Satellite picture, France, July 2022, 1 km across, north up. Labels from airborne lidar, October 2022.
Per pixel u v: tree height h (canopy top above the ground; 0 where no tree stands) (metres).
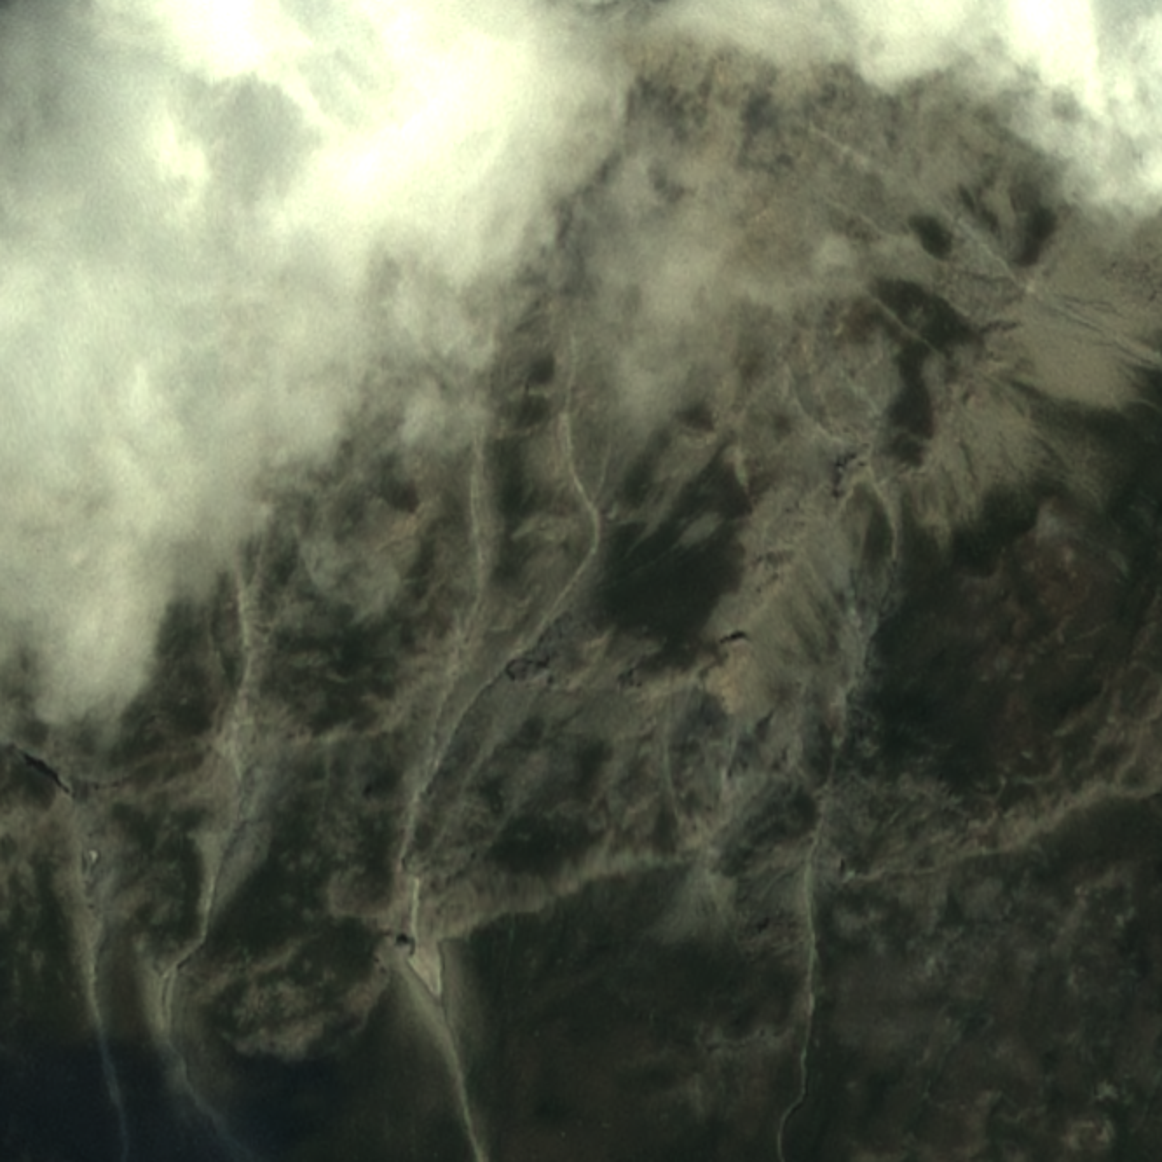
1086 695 0
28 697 0
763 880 0
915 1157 0
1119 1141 0
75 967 0
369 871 0
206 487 0
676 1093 0
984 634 0
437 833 0
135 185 0
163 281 0
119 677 0
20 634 0
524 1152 0
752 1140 0
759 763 26
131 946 0
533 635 0
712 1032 0
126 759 0
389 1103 0
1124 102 0
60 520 0
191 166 0
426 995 0
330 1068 0
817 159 0
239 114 0
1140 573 0
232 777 0
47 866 0
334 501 0
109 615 0
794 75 0
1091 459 0
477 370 0
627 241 0
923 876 0
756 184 0
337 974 0
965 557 0
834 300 0
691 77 0
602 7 0
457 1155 0
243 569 0
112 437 0
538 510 0
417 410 0
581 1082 0
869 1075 0
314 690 0
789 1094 0
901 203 0
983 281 0
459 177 0
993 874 0
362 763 0
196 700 0
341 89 0
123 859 0
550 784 0
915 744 0
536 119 0
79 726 0
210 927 0
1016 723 0
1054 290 0
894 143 0
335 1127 0
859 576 0
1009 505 0
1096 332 0
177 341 0
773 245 0
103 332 0
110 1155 0
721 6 0
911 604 0
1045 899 0
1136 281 0
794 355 0
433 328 0
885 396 0
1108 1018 0
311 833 0
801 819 0
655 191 0
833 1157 0
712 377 0
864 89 0
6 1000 0
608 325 0
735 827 0
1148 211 0
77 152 0
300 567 0
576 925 0
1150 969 0
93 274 0
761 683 0
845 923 0
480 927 0
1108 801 0
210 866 0
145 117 0
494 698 0
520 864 0
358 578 0
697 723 0
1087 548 0
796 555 0
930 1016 0
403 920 0
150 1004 0
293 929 0
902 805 0
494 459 0
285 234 0
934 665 0
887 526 0
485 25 0
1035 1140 0
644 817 0
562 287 0
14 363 0
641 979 0
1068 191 0
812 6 0
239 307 0
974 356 0
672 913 0
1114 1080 0
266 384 0
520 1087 0
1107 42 0
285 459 0
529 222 0
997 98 0
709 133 0
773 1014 0
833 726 0
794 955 0
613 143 0
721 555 0
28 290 0
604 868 0
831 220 0
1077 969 0
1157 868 0
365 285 0
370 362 0
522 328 0
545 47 0
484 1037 0
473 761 0
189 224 0
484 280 0
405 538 0
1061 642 0
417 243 0
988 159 0
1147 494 0
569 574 0
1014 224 0
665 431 0
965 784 0
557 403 0
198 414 0
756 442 0
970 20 0
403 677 0
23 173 0
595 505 0
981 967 0
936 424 0
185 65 0
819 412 0
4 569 0
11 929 0
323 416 0
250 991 0
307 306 0
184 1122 0
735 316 0
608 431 0
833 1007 0
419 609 0
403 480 0
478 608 0
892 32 0
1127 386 0
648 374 0
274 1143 0
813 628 0
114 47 0
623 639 0
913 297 0
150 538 0
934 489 0
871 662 0
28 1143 0
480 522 0
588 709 0
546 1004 0
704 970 0
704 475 0
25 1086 0
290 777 0
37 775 35
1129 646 0
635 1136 0
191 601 0
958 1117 0
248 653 0
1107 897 0
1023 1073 0
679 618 0
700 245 0
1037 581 0
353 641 0
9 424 0
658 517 0
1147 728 0
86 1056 0
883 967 0
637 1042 0
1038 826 0
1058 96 0
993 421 0
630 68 0
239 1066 0
